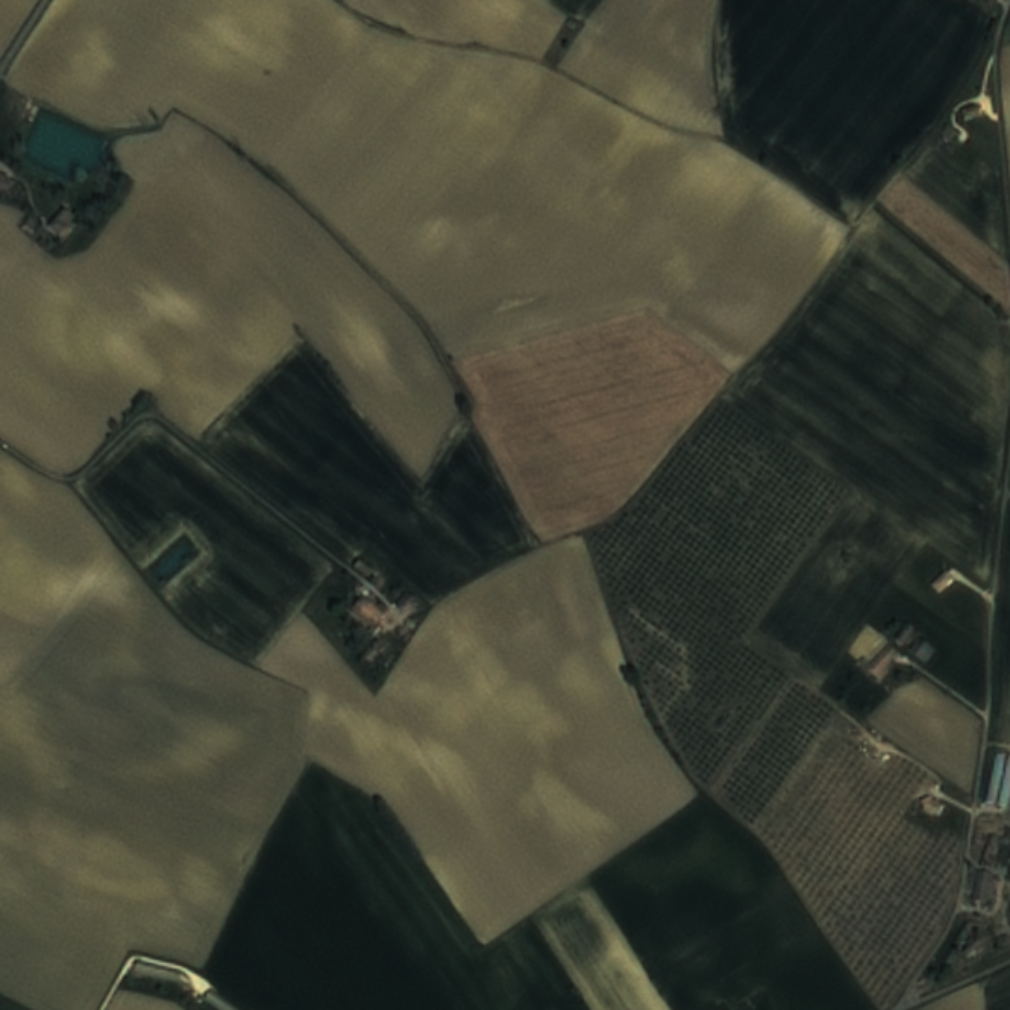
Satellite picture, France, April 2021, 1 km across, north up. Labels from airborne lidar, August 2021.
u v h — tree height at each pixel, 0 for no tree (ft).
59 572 0
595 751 0
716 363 0
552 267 0
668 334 0
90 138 0
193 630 0
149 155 0
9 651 0
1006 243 0
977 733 0
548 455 0
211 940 0
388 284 0
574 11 0
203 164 0
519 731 0
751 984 0
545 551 0
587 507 0
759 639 0
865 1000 0
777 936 0
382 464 0
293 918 0
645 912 0
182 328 0
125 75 0
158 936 0
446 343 0
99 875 0
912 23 0
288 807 0
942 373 0
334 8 0
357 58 0
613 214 0
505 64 0
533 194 0
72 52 0
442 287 0
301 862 0
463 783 0
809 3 0
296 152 0
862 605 0
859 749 0
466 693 0
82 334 0
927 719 0
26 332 0
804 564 0
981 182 0
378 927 0
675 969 0
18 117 0
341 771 0
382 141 0
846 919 29
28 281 0
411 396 0
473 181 0
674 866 0
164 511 0
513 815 0
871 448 0
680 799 0
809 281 0
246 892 0
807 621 0
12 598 0
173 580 0
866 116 0
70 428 0
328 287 0
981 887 0
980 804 0
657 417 0
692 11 0
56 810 0
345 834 0
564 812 0
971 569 0
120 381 0
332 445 0
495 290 0
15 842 0
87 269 0
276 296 0
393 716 0
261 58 0
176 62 0
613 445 0
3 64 0
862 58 0
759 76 0
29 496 0
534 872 0
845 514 0
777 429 0
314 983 0
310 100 0
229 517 0
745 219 0
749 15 0
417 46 0
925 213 0
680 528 17
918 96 0
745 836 0
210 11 0
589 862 0
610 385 0
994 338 0
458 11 0
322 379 0
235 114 0
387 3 0
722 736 18
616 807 0
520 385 0
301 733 0
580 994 30
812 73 0
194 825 0
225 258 0
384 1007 0
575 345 0
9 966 0
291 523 0
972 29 0
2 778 0
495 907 0
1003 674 0
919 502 0
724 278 0
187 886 0
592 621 0
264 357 0
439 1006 0
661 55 0
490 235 0
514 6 0
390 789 0
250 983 0
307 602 0
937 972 26
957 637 0
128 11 0
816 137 0
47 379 0
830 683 0
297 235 0
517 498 0
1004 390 0
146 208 0
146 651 0
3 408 0
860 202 0
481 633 0
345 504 0
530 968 0
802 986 0
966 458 0
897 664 0
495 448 0
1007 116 0
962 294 0
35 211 45
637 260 0
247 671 0
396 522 0
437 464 0
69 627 0
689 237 0
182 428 0
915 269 0
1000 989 0
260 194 0
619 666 0
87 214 59
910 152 0
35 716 0
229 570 0
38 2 0
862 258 0
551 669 0
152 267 0
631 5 0
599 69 0
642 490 0
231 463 0
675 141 0
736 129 0
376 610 0
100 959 0
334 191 0
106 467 0
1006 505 0
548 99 0
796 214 0
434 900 0
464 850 0
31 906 0
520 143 0
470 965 0
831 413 0
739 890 0
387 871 0
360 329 0
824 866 21
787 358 0
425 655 0
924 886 20
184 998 21
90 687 0
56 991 0
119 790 0
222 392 0
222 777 0
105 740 0
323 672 0
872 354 0
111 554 0
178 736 0
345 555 0
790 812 17
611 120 0
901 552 0
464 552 0
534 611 0
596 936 0
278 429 0
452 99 0
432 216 0
